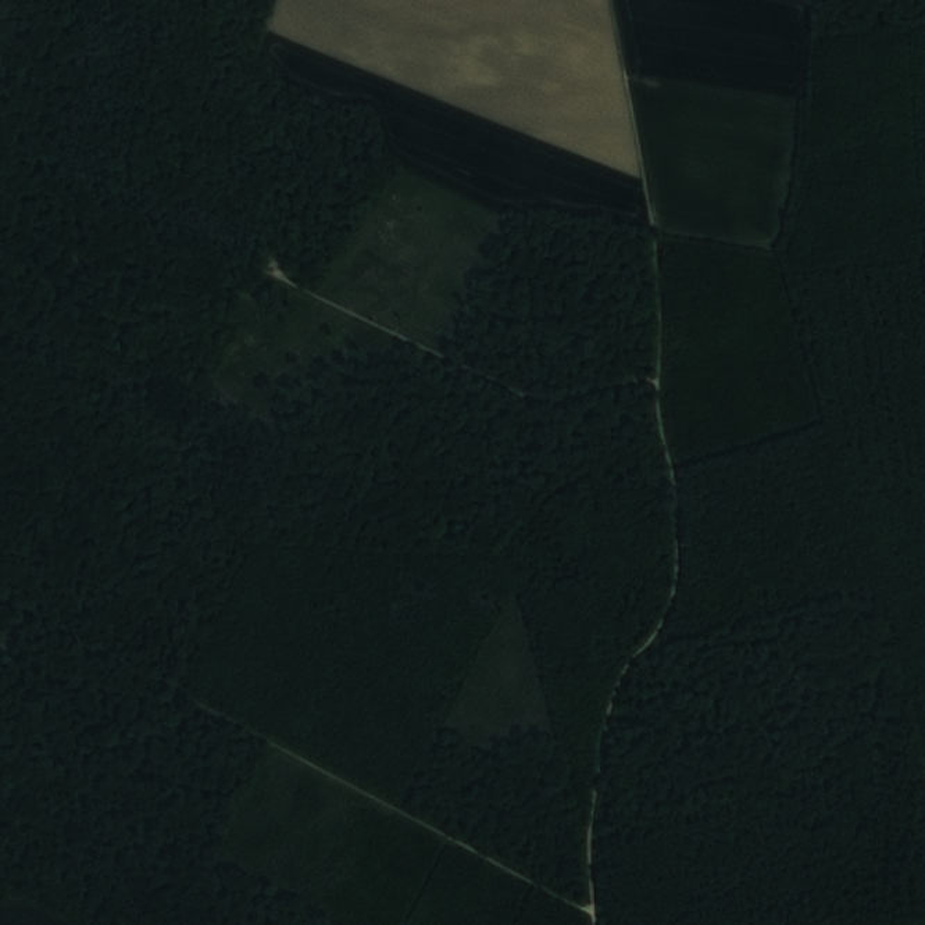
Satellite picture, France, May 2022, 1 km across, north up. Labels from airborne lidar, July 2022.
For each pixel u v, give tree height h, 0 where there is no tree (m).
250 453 31
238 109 24
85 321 27
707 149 0
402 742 14
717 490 21
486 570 17
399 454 29
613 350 21
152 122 26
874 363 16
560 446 31
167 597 25
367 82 0
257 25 23
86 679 23
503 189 0
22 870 20
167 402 26
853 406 17
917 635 18
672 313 6
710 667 26
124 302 24
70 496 30
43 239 26
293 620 17
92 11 26
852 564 17
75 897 26
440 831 25
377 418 30
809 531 17
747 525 20
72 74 26
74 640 27
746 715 22
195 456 19
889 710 25
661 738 32
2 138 24
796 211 8
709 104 0
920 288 19
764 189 0
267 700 18
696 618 12
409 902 6
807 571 17
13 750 27
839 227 10
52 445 11
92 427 26
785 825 18
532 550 17
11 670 21
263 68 24
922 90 8
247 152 20
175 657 24
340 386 25
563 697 14
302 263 27
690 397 6
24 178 26
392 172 25
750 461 21
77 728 24
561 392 24
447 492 28
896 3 26
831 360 16
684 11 0
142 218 18
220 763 27
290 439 27
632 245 23
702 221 0
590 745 14
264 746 16
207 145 26
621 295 23
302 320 0
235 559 22
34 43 29
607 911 18
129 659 28
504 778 26
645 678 6
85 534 27
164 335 25
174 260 24
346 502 29
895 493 16
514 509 17
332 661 16
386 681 15
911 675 16
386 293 0
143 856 28
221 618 17
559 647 17
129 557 25
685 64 0
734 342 6
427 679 15
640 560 18
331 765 11
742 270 7
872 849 9
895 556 16
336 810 0
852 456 16
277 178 25
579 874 26
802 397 9
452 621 18
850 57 10
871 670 21
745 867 15
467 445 25
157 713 27
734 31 0
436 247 0
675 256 8
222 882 25
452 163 0
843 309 17
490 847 26
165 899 21
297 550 17
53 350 27
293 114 27
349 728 15
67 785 25
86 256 28
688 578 16
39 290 28
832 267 12
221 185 23
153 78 22
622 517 17
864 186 10
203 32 24
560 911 12
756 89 0
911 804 9
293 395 27
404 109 0
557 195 0
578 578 17
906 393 15
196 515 28
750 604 9
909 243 10
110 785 30
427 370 20
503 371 24
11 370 28
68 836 27
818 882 19
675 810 18
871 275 15
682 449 7
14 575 25
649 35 0
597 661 14
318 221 23
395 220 0
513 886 9
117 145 21
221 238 24
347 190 20
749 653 13
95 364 20
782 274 8
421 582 16
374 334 0
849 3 25
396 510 25
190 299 26
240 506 21
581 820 18
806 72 8
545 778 23
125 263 17
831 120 11
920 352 15
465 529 20
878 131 6
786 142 0
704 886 19
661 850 22
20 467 31
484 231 0
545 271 24
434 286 0
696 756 26
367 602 16
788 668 22
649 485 10
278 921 27
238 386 0
